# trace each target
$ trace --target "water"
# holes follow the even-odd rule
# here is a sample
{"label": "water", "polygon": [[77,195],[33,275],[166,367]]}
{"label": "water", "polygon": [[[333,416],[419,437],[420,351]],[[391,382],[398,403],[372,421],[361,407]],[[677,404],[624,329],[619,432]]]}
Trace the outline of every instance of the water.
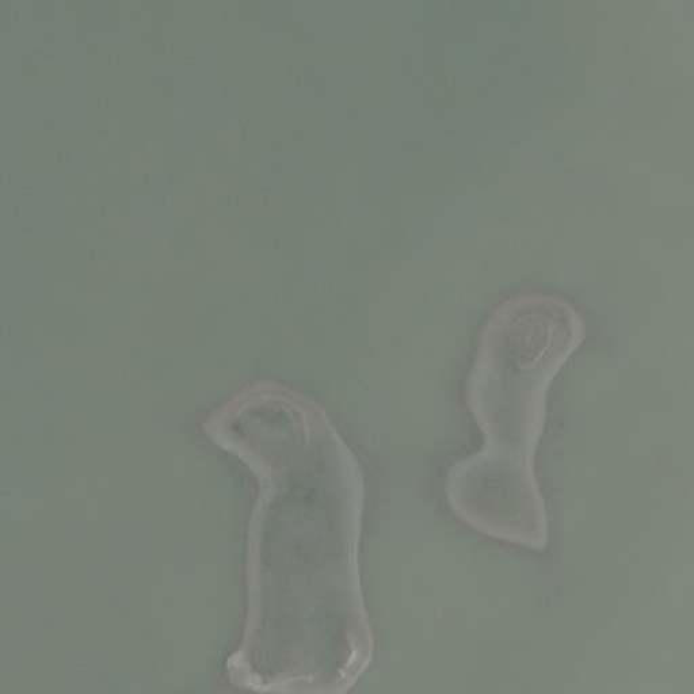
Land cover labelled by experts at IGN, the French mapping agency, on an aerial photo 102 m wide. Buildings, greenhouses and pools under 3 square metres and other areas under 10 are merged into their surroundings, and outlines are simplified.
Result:
{"label": "water", "polygon": [[[485,445],[483,431],[466,401],[466,382],[477,361],[483,328],[504,301],[518,295],[564,298],[575,306],[575,312],[583,320],[580,347],[569,355],[569,361],[558,369],[548,388],[545,426],[534,453],[534,477],[542,491],[548,512],[545,548],[523,548],[518,542],[488,537],[474,526],[464,523],[447,504],[450,469],[461,458],[480,453]],[[363,474],[358,572],[363,605],[374,634],[374,656],[347,694],[694,694],[694,0],[0,0],[0,694],[260,694],[244,686],[233,686],[228,675],[228,659],[239,651],[247,626],[247,539],[249,521],[260,496],[258,477],[239,455],[214,445],[214,439],[203,431],[211,412],[225,407],[233,396],[239,396],[244,388],[255,382],[279,382],[285,388],[298,390],[301,396],[314,399],[339,431],[339,436],[344,439],[344,445],[350,447],[350,453],[355,455]]]}

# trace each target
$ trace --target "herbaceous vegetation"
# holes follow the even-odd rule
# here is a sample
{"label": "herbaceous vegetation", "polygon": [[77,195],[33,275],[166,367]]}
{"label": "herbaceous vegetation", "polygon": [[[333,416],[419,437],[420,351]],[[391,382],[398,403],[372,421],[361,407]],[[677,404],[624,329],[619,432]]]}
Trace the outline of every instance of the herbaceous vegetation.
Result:
{"label": "herbaceous vegetation", "polygon": [[298,390],[285,388],[279,382],[255,382],[244,388],[239,396],[233,396],[225,407],[211,412],[203,431],[214,439],[214,445],[239,455],[258,477],[260,496],[249,521],[247,539],[247,626],[239,651],[228,659],[228,675],[233,686],[244,686],[260,694],[347,694],[374,656],[374,634],[363,605],[358,572],[363,474],[355,455],[350,453],[350,447],[344,445],[344,439],[339,436],[339,431],[314,399],[301,396]]}
{"label": "herbaceous vegetation", "polygon": [[523,548],[545,548],[548,512],[542,491],[534,477],[534,453],[545,426],[548,388],[558,369],[569,361],[569,355],[580,347],[583,320],[575,312],[575,306],[564,298],[518,295],[504,301],[483,328],[477,361],[466,382],[466,401],[483,431],[485,445],[480,453],[461,458],[450,469],[447,504],[464,523],[474,526],[488,537],[518,542]]}

